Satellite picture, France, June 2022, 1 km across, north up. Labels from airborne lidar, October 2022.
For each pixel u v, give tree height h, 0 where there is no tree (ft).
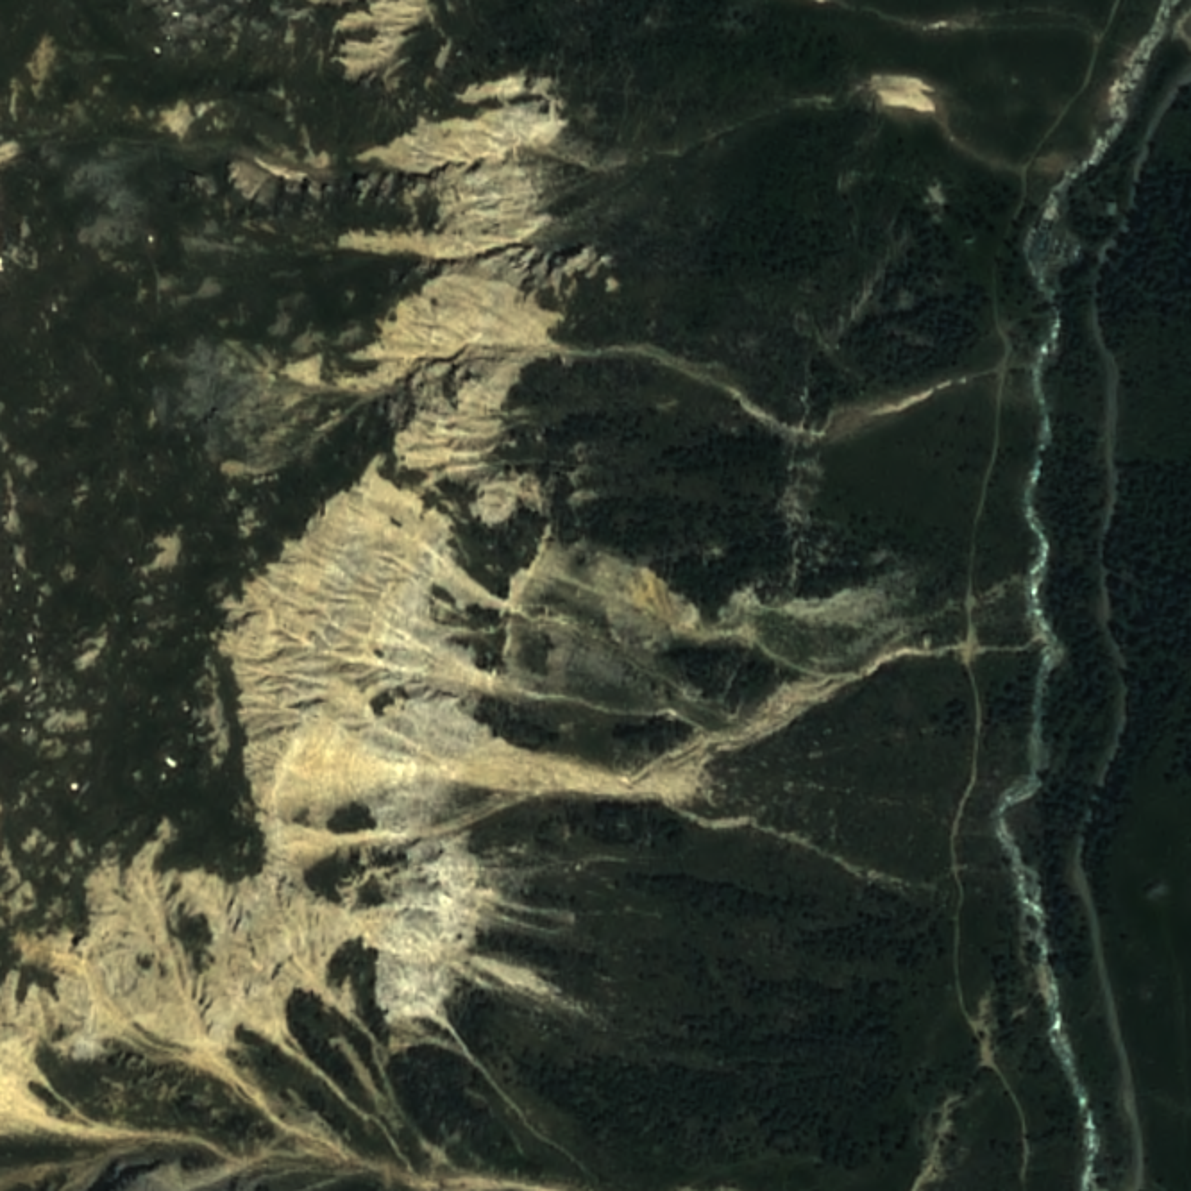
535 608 0
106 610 0
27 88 0
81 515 0
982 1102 0
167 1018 0
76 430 0
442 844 0
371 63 0
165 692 0
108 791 0
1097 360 37
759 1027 21
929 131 0
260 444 0
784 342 22
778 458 35
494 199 0
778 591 43
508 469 30
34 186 0
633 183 0
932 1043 0
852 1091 39
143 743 0
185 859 0
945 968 0
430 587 0
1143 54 0
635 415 29
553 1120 0
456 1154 0
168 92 0
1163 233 24
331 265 0
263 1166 0
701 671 45
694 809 0
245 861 0
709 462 34
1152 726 31
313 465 0
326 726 0
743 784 0
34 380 0
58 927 0
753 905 29
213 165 0
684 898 18
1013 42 0
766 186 27
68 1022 0
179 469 0
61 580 0
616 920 0
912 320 65
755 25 32
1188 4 0
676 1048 22
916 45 0
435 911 0
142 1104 0
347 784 0
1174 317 38
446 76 0
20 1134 0
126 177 0
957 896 0
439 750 0
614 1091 53
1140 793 0
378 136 0
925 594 21
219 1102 0
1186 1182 0
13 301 0
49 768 0
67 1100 0
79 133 0
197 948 0
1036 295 29
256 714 0
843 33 0
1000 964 66
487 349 0
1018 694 36
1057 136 0
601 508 33
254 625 0
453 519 0
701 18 23
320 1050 27
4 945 0
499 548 20
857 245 20
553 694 0
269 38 0
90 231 0
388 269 0
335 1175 0
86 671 0
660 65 26
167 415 0
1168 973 0
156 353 0
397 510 0
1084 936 31
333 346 0
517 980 0
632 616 0
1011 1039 29
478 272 0
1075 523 22
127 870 0
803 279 19
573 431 36
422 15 0
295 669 0
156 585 0
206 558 0
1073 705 31
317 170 0
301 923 0
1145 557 43
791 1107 52
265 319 0
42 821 0
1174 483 31
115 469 0
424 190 0
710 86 22
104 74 0
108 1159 0
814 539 29
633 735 36
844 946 26
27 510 0
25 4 0
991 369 0
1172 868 0
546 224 129
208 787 0
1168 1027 0
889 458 0
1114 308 53
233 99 0
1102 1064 0
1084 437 20
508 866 0
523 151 0
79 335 0
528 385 23
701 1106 43
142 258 0
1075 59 0
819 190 22
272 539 0
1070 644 19
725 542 20
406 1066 27
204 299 0
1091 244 34
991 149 0
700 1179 0
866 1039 64
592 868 0
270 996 0
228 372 0
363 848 0
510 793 0
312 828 0
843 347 41
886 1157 29
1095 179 36
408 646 0
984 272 0
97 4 0
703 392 0
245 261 0
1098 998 0
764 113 0
